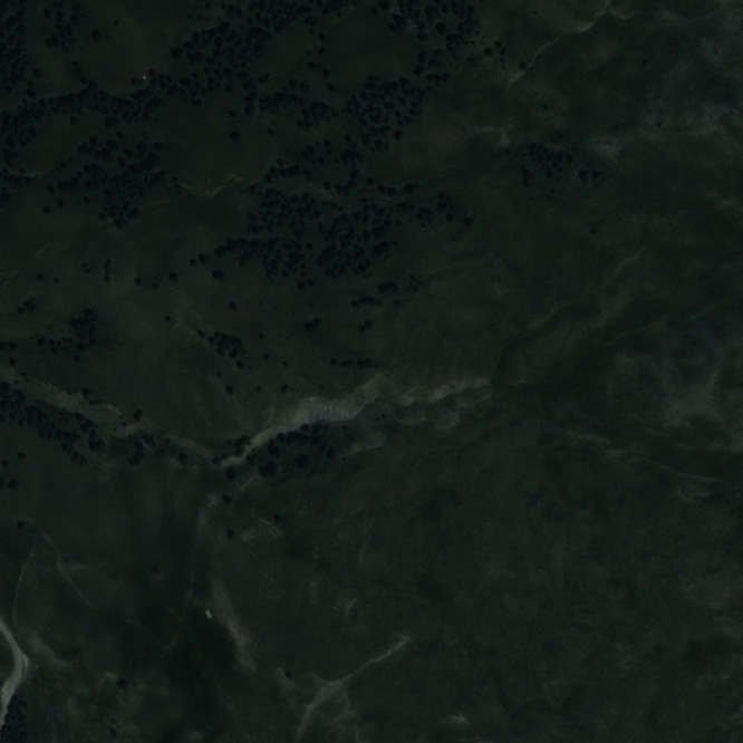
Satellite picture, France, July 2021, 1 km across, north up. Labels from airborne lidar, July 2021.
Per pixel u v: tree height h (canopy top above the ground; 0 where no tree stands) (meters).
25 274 0
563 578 0
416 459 0
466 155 0
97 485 0
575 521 0
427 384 0
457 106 0
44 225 0
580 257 0
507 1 0
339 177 0
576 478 0
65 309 0
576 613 0
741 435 0
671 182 0
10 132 17
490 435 0
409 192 13
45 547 0
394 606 0
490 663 0
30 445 0
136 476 0
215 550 0
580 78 0
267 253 9
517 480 0
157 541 0
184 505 0
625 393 0
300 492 0
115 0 0
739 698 0
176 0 0
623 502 0
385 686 0
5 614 0
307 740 0
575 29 0
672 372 0
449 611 0
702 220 0
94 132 0
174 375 0
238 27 0
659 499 0
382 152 15
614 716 0
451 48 13
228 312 0
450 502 0
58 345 6
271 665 0
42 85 0
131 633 0
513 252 0
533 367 0
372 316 0
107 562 0
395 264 0
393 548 0
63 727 0
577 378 0
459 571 0
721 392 0
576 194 0
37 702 0
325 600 0
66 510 0
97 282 0
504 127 0
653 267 0
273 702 0
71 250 0
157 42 0
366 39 0
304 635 0
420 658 0
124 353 0
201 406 0
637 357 0
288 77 0
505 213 0
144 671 0
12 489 11
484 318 0
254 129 0
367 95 9
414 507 0
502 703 0
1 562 0
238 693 0
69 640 0
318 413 0
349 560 0
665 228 0
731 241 0
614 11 0
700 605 0
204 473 0
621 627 0
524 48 0
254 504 0
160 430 0
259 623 0
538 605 0
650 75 0
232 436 0
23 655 0
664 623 0
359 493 0
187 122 0
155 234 0
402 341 0
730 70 0
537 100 0
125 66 0
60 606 0
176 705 0
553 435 0
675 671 0
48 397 0
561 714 0
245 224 0
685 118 0
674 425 0
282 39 0
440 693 0
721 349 0
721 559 0
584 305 0
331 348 0
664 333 0
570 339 0
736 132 0
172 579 0
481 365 0
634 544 0
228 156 0
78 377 0
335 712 0
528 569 0
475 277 0
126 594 0
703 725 0
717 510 0
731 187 0
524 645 0
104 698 0
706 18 0
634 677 0
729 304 0
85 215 0
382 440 0
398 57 0
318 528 0
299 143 0
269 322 0
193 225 0
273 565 0
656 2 0
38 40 0
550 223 0
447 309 0
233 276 0
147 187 7
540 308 0
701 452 0
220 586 0
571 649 0
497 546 0
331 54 0
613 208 0
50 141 0
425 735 0
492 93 0
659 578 0
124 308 0
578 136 0
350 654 0
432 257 0
